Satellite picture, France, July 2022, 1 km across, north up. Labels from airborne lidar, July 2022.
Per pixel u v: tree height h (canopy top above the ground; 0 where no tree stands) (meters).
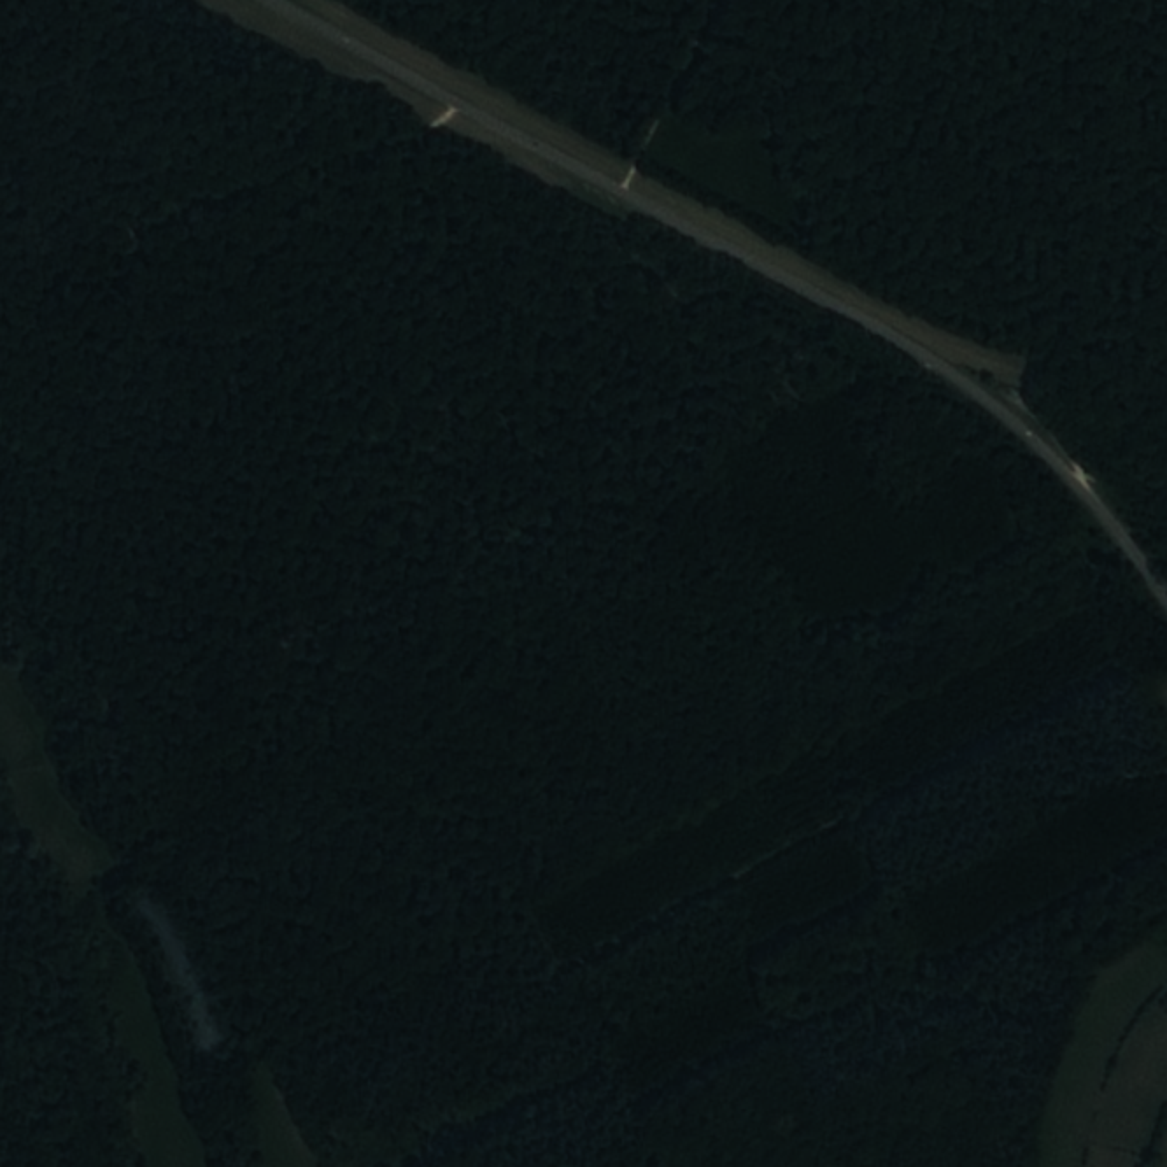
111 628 26
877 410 19
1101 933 31
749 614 25
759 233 9
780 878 10
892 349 15
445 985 22
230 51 15
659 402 30
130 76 23
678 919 17
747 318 23
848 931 27
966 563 12
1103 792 12
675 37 23
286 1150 0
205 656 28
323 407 26
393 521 26
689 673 24
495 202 22
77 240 26
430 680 30
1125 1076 0
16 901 21
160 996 19
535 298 26
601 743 24
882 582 7
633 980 18
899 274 25
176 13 22
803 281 0
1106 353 29
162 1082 0
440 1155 28
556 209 25
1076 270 26
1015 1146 23
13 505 15
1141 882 28
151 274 27
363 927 25
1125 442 29
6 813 9
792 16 23
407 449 30
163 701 27
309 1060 25
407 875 25
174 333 19
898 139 23
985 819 28
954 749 8
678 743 25
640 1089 8
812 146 29
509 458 26
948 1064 25
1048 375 24
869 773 11
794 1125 26
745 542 22
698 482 24
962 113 27
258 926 24
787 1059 24
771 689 21
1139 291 25
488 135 0
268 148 23
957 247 22
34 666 9
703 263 13
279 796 25
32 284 26
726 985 8
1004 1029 27
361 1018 27
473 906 29
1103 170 28
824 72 27
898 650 29
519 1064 16
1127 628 25
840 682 26
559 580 23
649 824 26
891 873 27
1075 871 11
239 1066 21
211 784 27
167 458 28
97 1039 22
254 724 25
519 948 25
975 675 8
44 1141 19
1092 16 27
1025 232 27
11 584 11
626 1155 23
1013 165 25
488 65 25
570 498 25
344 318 27
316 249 23
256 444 29
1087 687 25
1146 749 26
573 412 25
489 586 23
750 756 28
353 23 0
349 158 27
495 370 27
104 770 27
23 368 22
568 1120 20
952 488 11
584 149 0
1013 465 21
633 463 29
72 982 23
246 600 28
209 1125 18
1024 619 23
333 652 27
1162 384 31
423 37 19
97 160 24
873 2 28
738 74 27
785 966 27
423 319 26
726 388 27
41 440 21
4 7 23
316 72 24
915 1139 22
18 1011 16
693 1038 10
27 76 26
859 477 10
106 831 20
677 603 25
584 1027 25
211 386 29
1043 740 27
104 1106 21
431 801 28
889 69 26
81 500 24
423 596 31
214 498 27
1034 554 27
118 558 26
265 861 26
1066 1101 0
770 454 13
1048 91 32
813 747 13
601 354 25
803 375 23
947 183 28
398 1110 20
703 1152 26
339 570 25
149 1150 0
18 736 0
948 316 23
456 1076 21
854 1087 23
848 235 25
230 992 19
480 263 18
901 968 19
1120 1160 0
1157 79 27
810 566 8
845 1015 33
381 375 29
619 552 27
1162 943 0
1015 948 29
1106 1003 0
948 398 18
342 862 29
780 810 7
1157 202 26
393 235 24
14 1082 15
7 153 18
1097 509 0
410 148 17
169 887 19
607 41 17
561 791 27
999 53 30
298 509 27
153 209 28
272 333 26
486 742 26
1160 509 28
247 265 21
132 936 20
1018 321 24
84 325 14
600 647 23
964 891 10
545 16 24
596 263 26
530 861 25
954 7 30
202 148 27
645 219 11
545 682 29
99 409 22
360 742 28
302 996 26
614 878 6
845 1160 26
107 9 24
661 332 27
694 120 26
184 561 30
